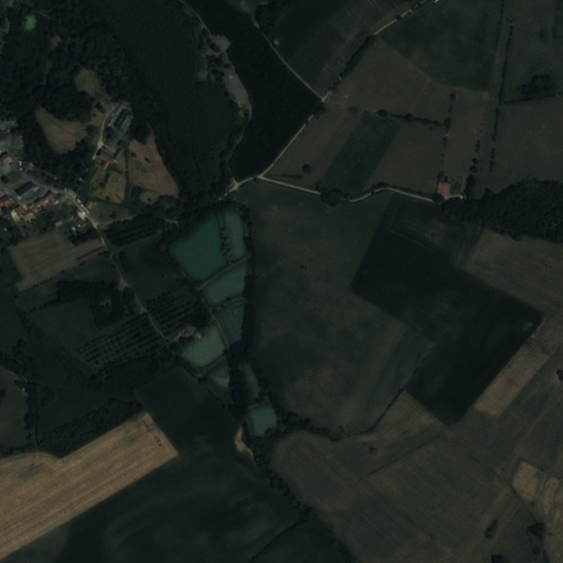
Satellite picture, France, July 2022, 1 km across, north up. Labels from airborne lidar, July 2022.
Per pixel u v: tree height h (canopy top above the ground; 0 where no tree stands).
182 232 13
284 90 7
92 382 17
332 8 0
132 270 10
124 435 0
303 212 0
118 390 20
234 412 19
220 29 14
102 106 18
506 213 22
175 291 6
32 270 0
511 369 0
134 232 9
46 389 7
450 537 0
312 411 0
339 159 0
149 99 22
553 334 0
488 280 0
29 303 0
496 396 0
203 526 0
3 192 0
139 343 7
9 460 0
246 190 0
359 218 0
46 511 0
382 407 0
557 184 18
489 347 0
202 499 0
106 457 0
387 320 0
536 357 0
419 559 0
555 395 0
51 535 0
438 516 0
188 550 0
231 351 10
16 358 7
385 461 0
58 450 8
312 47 0
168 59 11
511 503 0
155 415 0
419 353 0
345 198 8
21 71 11
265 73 9
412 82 0
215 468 0
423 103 0
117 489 0
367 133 0
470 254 0
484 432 0
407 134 0
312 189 0
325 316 0
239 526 0
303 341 0
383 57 0
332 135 0
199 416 0
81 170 26
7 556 0
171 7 9
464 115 0
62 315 0
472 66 0
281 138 11
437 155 0
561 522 0
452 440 0
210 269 0
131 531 0
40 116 0
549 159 0
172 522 0
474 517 0
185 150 9
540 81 16
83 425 7
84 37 17
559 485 0
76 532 0
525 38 0
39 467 0
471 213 19
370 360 0
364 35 0
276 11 21
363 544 0
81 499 0
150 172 0
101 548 0
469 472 0
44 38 8
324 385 0
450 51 0
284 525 0
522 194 22
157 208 13
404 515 0
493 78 0
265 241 0
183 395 0
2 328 0
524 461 0
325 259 0
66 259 0
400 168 0
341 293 0
